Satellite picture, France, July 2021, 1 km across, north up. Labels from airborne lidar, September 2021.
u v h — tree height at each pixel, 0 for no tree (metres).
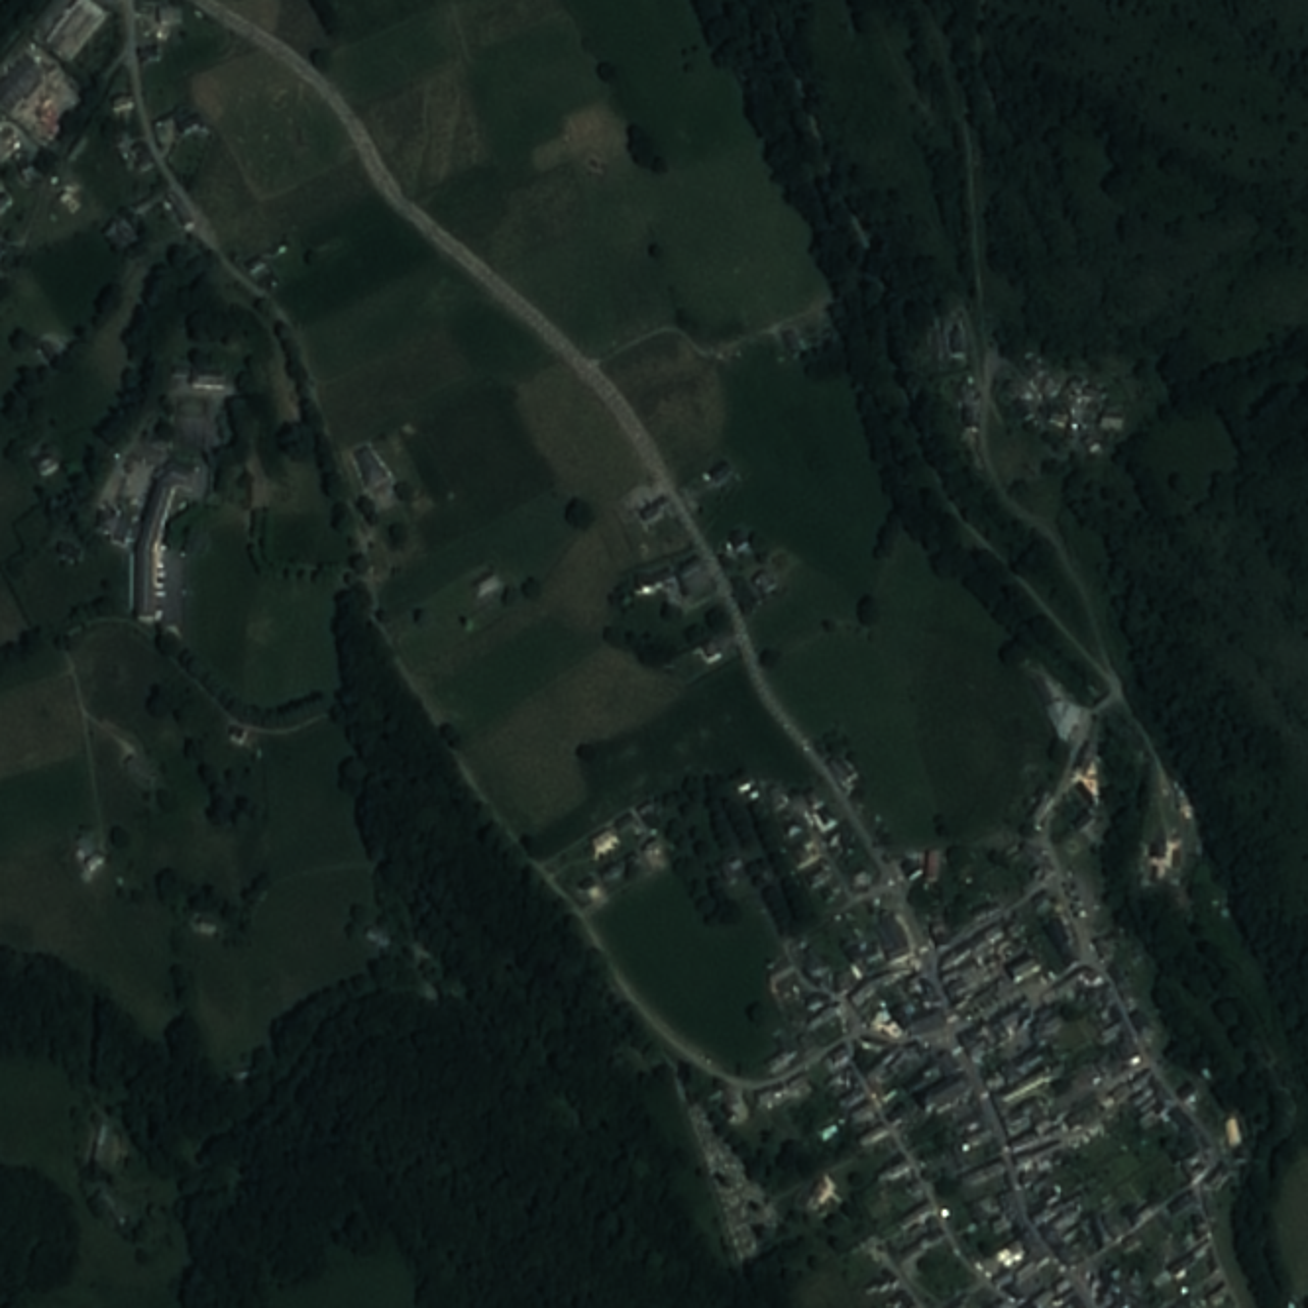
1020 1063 0
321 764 0
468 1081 27
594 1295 21
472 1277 24
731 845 13
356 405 0
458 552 0
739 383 0
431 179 0
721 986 0
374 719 25
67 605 0
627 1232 32
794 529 0
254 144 0
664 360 0
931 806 0
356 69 0
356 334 0
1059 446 8
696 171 0
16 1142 0
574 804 0
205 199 0
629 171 0
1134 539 10
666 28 0
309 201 0
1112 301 10
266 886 7
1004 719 0
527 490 0
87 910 0
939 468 23
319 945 0
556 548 0
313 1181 23
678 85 0
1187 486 16
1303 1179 0
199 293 20
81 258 0
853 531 0
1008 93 18
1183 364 24
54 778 0
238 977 0
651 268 0
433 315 0
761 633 0
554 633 0
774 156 19
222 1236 23
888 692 0
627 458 0
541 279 0
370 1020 20
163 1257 0
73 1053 19
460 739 17
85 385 0
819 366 13
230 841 0
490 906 27
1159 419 8
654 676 0
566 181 0
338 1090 23
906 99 0
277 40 0
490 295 0
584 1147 25
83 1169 7
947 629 0
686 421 0
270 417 7
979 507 7
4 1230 29
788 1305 20
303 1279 8
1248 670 0
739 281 0
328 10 16
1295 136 10
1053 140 20
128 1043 29
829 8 0
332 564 13
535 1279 26
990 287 0
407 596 0
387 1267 0
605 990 19
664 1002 0
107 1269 0
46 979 30
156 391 22
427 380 0
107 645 0
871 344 21
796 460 0
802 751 0
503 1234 30
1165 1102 0
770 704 0
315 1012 22
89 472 9
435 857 23
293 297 0
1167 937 28
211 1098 25
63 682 0
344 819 0
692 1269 15
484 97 0
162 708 24
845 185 27
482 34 0
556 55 0
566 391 0
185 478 0
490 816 29
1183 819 0
